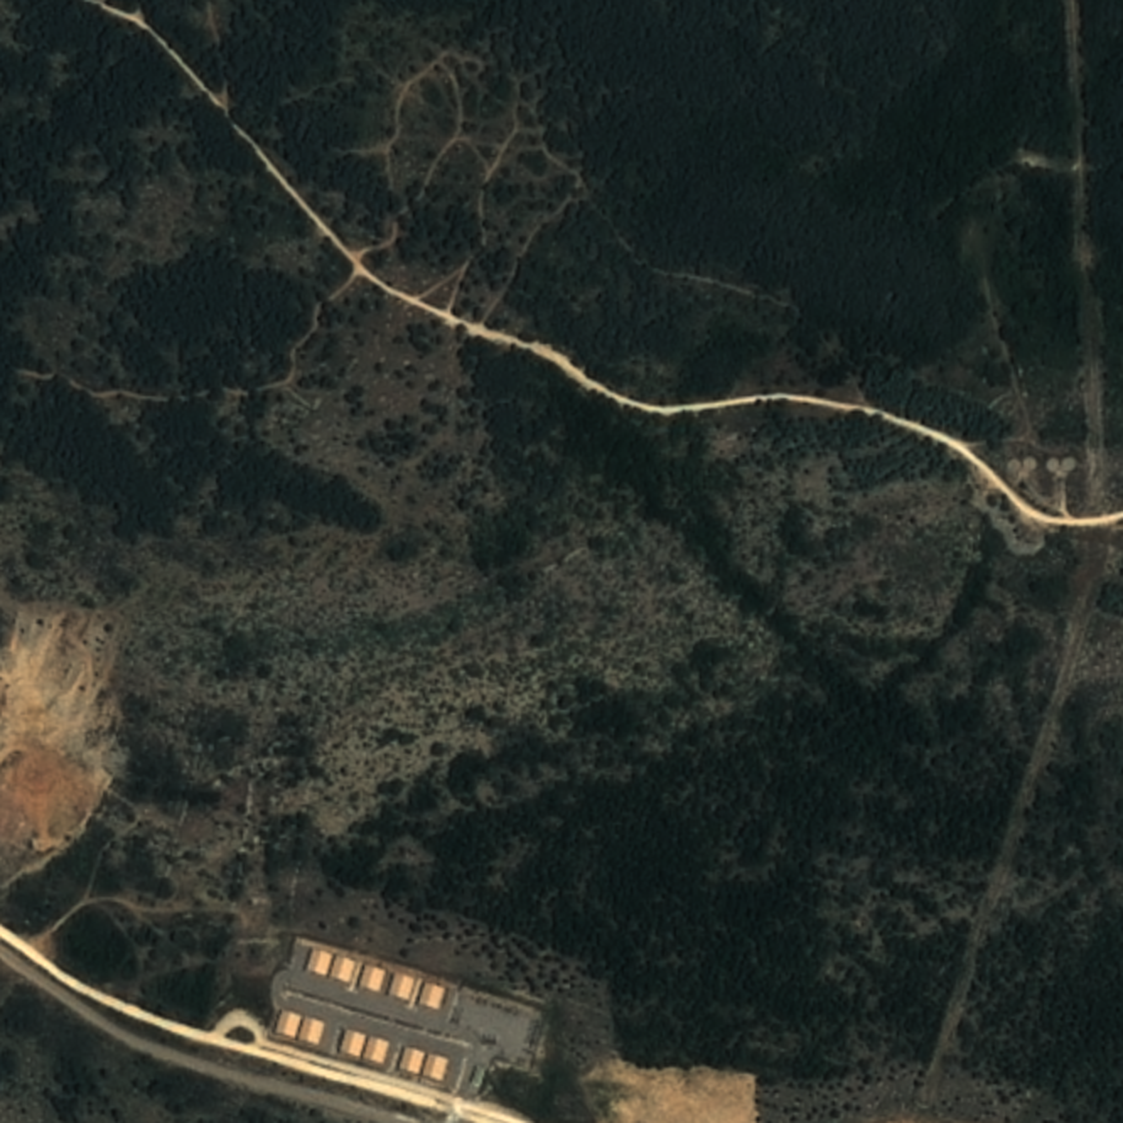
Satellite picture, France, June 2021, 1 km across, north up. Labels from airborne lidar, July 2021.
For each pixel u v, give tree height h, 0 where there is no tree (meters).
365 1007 0
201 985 6
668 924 8
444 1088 0
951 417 10
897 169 10
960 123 12
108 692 0
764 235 17
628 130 14
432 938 7
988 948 8
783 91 12
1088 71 8
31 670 0
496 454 7
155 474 8
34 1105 0
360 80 7
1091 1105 6
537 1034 0
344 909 0
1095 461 0
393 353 0
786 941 7
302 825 8
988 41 11
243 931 0
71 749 0
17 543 0
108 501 7
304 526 6
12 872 0
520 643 0
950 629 8
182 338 12
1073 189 9
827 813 7
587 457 7
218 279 13
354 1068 0
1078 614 0
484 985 0
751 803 10
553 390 9
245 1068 0
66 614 0
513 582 6
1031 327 9
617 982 7
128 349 7
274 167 0
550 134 8
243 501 7
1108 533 0
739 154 16
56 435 7
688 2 10
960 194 8
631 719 8
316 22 8
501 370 8
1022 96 9
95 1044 0
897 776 9
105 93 13
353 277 0
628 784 7
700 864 7
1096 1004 10
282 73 10
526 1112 0
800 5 13
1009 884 0
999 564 0
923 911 6
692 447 8
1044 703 7
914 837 6
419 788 8
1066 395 0
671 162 10
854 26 14
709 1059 9
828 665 10
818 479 0
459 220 12
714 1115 0
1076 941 6
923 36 11
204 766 0
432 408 9
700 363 12
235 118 11
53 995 0
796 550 6
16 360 11
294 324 11
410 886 7
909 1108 0
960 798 6
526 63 9
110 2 9
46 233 13
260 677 7
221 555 0
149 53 9
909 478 9
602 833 7
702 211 16
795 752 8
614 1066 0
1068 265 16
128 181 6
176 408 10
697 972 9
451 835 9
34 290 10
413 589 0
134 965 11
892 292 12
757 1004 10
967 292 9
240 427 8
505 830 10
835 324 8
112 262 0
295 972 0
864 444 9
